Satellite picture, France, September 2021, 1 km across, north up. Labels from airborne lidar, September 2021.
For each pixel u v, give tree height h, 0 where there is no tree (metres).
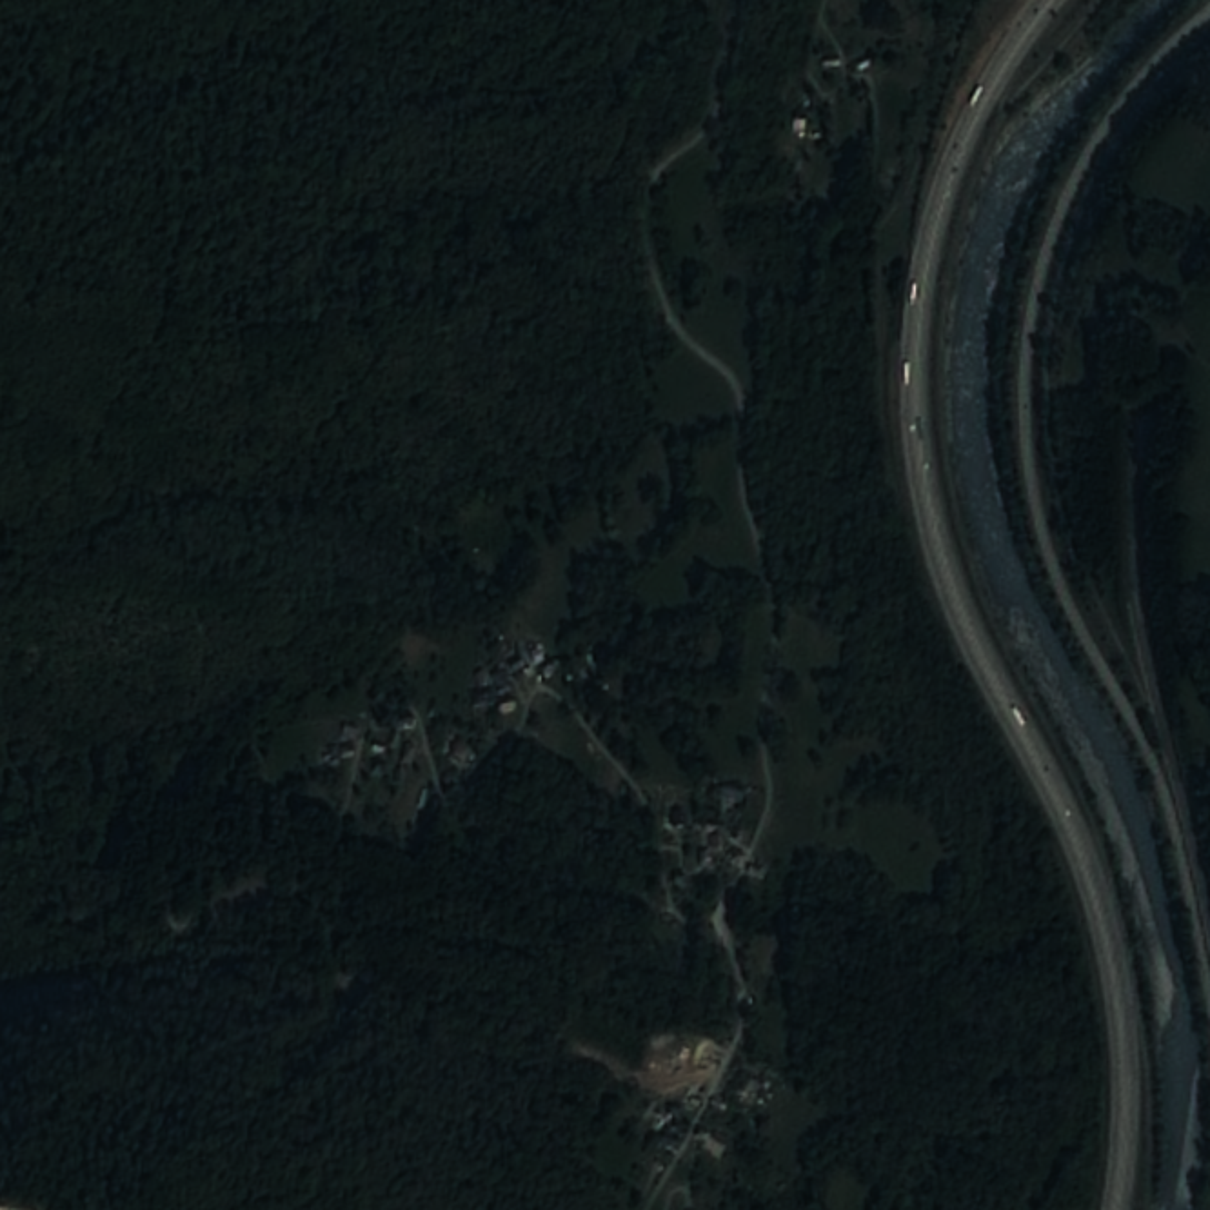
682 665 18
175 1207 15
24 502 18
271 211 19
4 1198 11
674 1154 7
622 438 18
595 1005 9
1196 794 15
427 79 21
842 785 0
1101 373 24
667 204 8
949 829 17
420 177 19
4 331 15
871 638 13
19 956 25
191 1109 20
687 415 0
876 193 11
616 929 24
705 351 0
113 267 22
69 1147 21
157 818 32
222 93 11
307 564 23
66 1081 17
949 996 26
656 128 23
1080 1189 18
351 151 22
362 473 9
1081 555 17
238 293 12
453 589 30
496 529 0
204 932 12
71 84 5
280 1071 21
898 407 0
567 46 20
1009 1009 16
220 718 26
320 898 19
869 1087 23
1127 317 16
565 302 24
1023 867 19
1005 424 6
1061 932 11
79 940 21
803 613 7
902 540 17
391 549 27
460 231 10
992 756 16
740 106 22
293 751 0
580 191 30
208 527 30
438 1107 20
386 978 25
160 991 26
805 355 24
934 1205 24
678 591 0
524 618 0
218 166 17
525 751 19
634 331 18
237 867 29
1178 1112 0
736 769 0
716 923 0
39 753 21
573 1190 21
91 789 17
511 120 15
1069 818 0
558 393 21
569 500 19
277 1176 26
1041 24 0
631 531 0
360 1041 25
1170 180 0
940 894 18
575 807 15
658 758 0
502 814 24
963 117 0
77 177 14
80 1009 11
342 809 6
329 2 28
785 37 26
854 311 10
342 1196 16
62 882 19
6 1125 21
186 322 22
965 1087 28
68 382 13
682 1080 0
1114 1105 0
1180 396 14
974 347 0
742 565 0
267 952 21
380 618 19
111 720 23
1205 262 21
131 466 20
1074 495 11
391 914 19
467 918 13
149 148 23
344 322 19
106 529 22
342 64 28
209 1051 22
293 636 19
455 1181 23
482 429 14
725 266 0
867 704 12
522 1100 20
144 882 29
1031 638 0
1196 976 12
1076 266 15
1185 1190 0
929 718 17
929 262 0
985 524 0
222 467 15
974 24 8
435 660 6
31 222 17
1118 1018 0
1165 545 13
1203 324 0
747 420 8
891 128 0
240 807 18
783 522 19
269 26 21
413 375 17
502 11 24
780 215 6
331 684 23
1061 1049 18
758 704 0
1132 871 0
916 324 0
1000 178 0
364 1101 24
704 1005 18
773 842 0
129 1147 24
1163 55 0
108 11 20
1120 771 0
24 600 18
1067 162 8
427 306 23
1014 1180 27
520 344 27
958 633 0
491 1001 21
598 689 14
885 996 24
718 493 0
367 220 29
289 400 13
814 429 26
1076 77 0
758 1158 10
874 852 0
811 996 23
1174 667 10
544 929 22
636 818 9
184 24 23
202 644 17
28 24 18
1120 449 10
